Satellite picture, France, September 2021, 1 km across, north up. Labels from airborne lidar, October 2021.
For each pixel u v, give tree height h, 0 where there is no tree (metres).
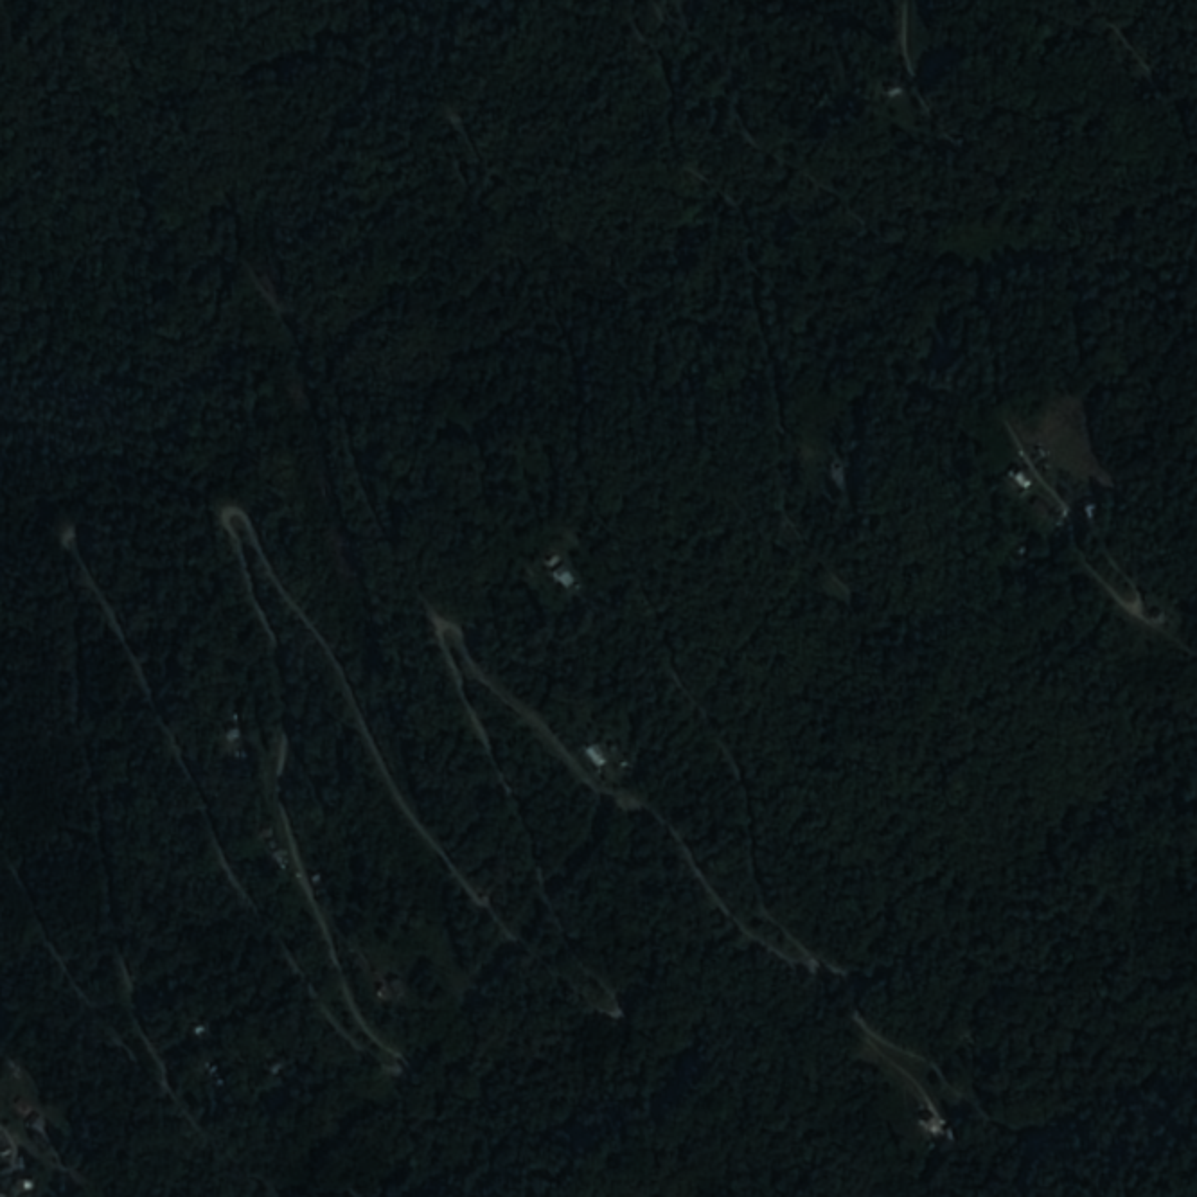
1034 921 28
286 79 17
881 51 17
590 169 23
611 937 29
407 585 20
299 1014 31
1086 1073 33
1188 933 21
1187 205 26
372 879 26
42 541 24
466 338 29
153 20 20
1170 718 17
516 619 7
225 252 18
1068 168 30
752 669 21
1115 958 17
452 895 15
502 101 18
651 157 16
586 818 14
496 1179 21
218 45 20
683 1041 30
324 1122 17
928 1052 25
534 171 23
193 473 17
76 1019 27
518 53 21
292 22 24
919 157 20
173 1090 15
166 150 20
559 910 26
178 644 29
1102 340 21
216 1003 28
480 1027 25
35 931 13
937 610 23
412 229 28
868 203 19
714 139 21
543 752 6
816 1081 22
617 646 22
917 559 22
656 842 17
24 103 24
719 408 25
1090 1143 31
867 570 23
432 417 22
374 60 15
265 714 21
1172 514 23
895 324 25
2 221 30
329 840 11
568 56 17
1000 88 27
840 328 15
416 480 19
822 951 18
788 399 21
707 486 22
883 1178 23
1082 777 23
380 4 32
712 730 14
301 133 18
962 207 21
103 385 30
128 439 29
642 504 22
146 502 29
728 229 33
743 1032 31
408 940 17
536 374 37
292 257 23
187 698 22
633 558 22
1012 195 26
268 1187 30
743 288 17
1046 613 30
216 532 21
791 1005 29
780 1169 28
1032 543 16
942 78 25
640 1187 27
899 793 19
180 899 27
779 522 18
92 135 31
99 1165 30
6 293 30
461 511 16
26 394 29
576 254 19
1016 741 21
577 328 26
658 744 17
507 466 18
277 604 24
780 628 21
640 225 26
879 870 17
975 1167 20
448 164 20
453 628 0
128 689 15
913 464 23
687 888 13
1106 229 31
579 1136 18
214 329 24
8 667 22
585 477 21
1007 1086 23
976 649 37
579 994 21
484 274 25
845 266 10
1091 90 26
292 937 18
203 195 20
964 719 22
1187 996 30
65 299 28
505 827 24
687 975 30
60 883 28
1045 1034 27
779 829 20
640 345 28
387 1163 23
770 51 20
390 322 15
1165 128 26
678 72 13
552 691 24
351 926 16
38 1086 17
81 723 20
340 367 25
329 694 27
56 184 26
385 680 33
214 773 20
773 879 20
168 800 32
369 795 22
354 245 16
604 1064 26
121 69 19
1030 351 26
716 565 33
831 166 19
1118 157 27
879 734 18
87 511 25
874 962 31
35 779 21
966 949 22
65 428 24
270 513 14
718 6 26
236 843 22
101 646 22
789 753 16
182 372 26
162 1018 27
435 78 16
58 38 23
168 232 20
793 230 30
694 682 22
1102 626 16
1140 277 30
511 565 17
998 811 22
